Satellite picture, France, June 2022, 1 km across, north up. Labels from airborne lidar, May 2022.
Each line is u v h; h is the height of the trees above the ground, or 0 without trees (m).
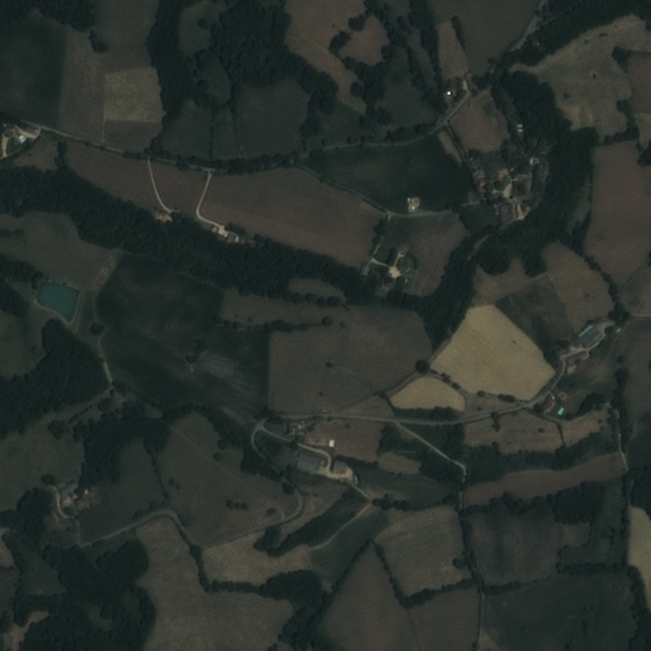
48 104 0
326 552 0
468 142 0
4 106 0
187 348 0
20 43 0
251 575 0
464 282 16
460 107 0
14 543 14
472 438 0
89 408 6
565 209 15
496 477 7
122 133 0
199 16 0
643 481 14
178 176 0
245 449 9
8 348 0
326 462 0
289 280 10
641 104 0
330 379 0
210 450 0
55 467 0
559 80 0
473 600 0
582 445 11
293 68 22
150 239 12
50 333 21
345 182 0
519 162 8
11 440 0
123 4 0
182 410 11
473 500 0
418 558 0
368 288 13
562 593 0
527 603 0
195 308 0
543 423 0
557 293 0
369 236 0
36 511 22
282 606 0
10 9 25
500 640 0
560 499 19
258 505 0
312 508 0
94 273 0
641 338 0
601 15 18
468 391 0
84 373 16
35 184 16
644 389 0
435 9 0
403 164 0
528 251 9
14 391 21
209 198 0
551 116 16
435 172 0
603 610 0
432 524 0
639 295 0
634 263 0
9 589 0
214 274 9
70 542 0
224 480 0
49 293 0
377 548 10
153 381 0
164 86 16
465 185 0
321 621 15
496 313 0
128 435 20
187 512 0
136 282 0
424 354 0
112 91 0
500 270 10
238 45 14
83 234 11
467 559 10
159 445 19
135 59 0
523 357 0
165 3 15
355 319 0
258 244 13
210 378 0
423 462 8
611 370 0
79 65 0
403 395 0
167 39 14
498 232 10
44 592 0
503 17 0
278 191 0
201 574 11
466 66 0
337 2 0
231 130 0
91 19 19
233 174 14
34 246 0
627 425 14
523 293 0
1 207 8
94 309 0
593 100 0
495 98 12
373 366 0
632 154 0
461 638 0
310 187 0
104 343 0
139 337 0
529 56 15
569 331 0
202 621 0
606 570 20
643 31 0
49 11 22
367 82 22
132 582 13
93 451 21
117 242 14
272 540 14
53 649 20
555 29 16
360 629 0
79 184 16
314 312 0
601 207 0
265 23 13
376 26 0
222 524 0
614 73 0
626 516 14
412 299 11
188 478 0
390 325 0
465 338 0
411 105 0
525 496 0
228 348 0
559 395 0
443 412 11
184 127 0
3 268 13
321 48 0
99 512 0
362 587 0
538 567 0
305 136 16
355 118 0
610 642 0
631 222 0
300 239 0
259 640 0
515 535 0
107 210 15
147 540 0
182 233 16
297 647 24
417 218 0
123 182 0
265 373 0
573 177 18
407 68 0
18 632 0
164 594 0
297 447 10
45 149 0
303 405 0
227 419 0
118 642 14
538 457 13
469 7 0
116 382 10
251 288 17
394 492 0
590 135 10
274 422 13
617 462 0
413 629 0
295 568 0
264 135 0
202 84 20
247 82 10
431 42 15
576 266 0
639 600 13
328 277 19
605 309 0
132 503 0
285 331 15
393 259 13
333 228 0
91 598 17
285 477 10
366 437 0
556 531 0
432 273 0
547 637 0
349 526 0
